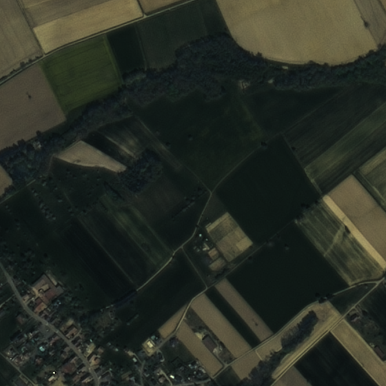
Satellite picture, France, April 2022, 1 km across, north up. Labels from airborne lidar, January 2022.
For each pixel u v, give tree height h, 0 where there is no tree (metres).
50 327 0
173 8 0
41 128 0
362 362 0
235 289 0
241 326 0
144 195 0
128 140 0
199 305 0
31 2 0
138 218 0
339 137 0
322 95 0
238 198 0
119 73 0
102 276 0
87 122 22
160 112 0
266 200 0
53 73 0
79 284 0
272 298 0
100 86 0
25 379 0
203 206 0
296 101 0
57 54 0
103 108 13
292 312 0
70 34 0
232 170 0
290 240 0
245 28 0
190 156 0
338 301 0
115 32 0
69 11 0
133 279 0
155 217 0
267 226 0
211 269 0
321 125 0
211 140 0
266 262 0
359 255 0
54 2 0
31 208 0
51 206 0
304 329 22
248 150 0
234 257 0
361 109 0
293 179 0
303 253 0
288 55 0
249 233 0
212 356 0
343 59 0
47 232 0
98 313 11
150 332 0
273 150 0
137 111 0
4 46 0
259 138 0
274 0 0
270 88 0
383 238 0
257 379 27
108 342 0
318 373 0
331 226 0
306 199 0
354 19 0
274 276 0
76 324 11
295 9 0
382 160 0
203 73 32
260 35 0
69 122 0
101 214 0
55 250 0
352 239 0
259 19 0
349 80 20
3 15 0
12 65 0
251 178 0
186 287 0
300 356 0
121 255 0
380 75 22
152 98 24
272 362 7
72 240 0
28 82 0
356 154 0
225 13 0
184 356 0
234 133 0
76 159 0
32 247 0
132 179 8
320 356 0
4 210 0
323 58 0
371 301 0
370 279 0
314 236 0
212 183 0
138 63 0
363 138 0
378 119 0
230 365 0
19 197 0
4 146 0
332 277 0
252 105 0
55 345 14
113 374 14
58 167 0
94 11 0
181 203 0
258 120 0
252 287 0
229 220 0
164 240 0
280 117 0
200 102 0
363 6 0
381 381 0
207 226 0
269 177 0
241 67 41
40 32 0
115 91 0
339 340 0
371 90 0
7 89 0
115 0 0
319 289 0
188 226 0
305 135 0
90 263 0
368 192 0
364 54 0
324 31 0
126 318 0
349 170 0
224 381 0
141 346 0
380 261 0
